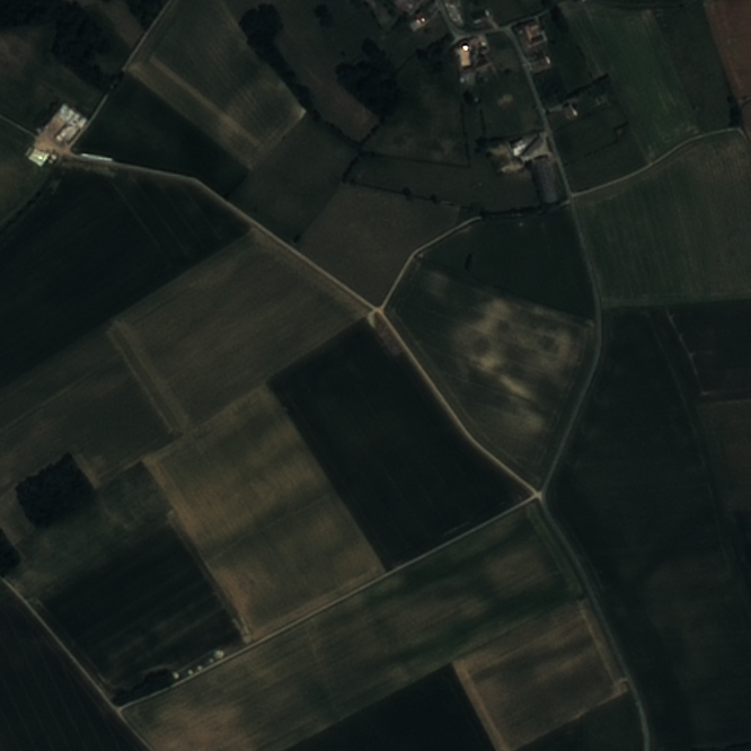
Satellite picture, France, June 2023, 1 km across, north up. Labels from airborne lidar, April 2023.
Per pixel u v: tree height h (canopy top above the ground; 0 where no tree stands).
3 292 0
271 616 0
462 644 0
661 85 0
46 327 0
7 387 0
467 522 0
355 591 0
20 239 0
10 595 0
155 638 0
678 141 0
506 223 0
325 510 0
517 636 0
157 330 0
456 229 0
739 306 0
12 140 0
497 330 0
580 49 7
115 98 0
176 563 0
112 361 0
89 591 0
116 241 0
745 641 0
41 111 0
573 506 0
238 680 0
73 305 0
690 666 0
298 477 0
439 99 0
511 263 0
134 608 0
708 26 0
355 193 0
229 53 0
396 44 0
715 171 0
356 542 0
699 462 0
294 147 0
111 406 0
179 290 0
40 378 0
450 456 0
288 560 0
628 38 0
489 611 0
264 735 0
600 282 0
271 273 0
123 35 0
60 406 0
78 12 20
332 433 0
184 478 0
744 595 0
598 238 0
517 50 0
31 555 0
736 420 0
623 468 0
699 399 0
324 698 0
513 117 0
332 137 0
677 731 0
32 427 0
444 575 0
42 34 0
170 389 0
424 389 0
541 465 0
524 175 0
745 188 0
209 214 0
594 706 0
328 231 0
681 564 0
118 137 0
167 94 0
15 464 0
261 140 0
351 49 0
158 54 0
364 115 0
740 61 0
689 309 0
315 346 0
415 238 0
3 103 0
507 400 0
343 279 0
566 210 0
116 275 0
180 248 0
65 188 0
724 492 0
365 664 0
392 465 0
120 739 0
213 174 0
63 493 22
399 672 0
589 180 0
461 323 0
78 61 18
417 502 0
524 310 0
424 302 0
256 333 0
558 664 0
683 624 0
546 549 0
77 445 0
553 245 0
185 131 0
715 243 0
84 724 0
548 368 0
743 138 0
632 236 0
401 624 0
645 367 0
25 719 0
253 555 0
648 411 0
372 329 0
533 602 0
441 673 0
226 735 0
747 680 0
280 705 0
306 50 0
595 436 0
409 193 14
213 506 0
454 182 0
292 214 0
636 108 0
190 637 0
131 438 0
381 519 0
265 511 0
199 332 0
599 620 0
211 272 0
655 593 0
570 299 0
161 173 0
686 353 0
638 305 0
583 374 0
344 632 0
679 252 0
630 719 0
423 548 0
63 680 0
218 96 0
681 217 0
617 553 0
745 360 0
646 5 0
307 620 0
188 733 0
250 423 0
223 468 0
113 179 0
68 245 0
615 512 0
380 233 0
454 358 0
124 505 0
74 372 0
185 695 0
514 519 0
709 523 0
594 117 0
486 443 0
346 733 0
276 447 0
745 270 0
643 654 0
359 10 0
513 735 0
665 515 0
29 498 18
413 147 0
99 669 0
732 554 0
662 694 0
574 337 0
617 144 0
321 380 0
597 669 0
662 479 0
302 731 0
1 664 0
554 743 0
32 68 0
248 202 0
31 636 0
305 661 0
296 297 0
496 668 0
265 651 0
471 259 6
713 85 0
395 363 0
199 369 0
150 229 0
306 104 14
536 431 0
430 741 0
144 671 0
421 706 0
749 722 0
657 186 0
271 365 0
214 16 0
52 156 0
